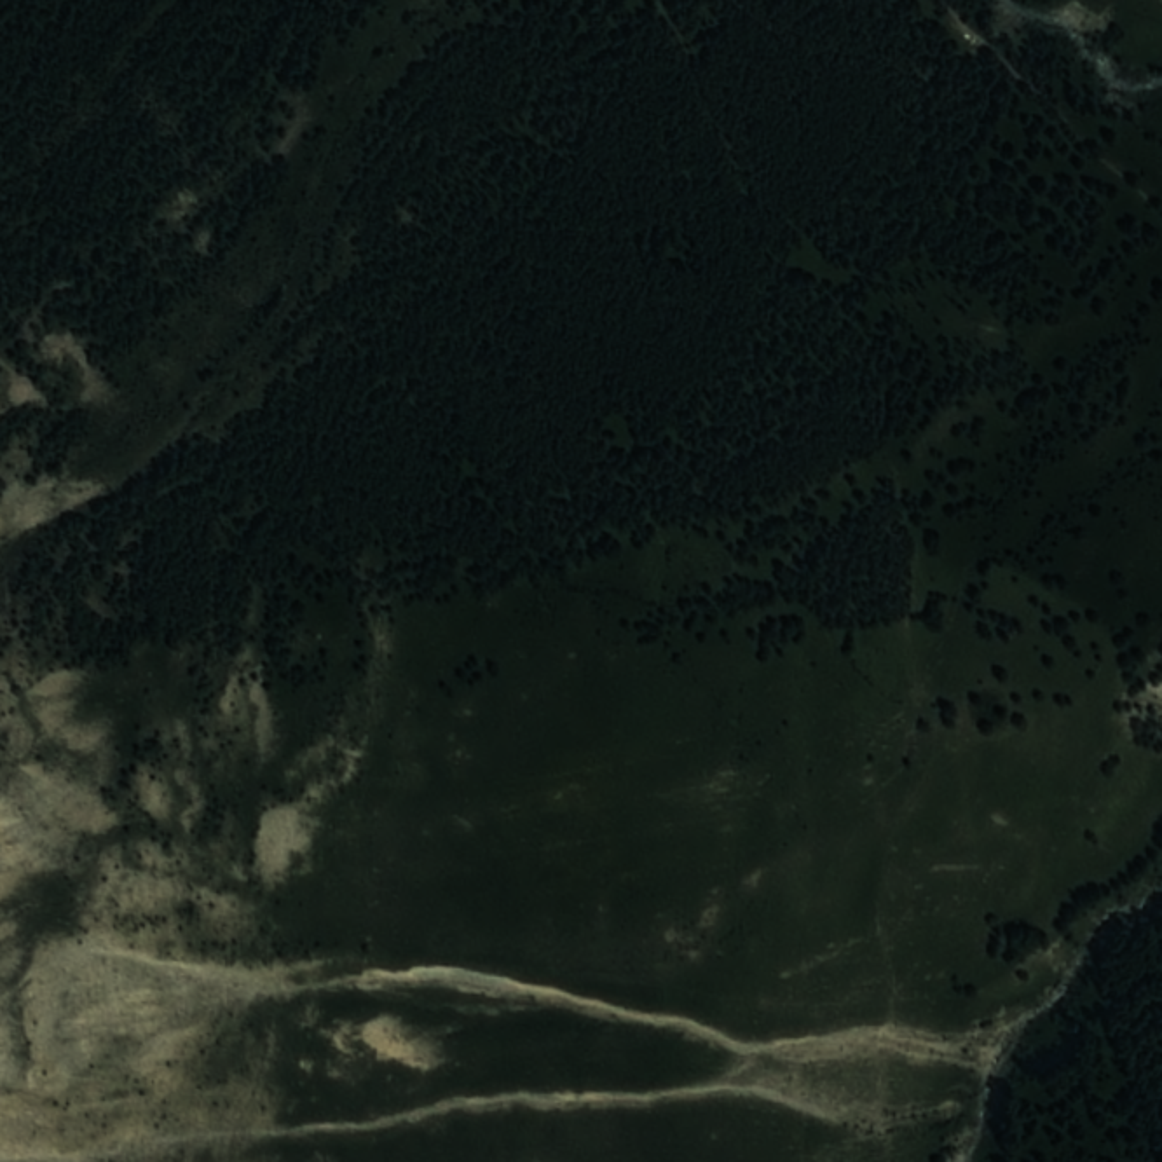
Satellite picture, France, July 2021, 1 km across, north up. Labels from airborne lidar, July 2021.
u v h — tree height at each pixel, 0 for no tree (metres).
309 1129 0
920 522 21
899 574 18
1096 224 24
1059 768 0
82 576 10
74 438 12
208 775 0
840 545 18
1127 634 15
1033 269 10
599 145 22
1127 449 0
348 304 17
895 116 17
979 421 16
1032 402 24
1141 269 0
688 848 0
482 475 16
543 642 0
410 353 18
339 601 0
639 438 21
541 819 0
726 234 22
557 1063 0
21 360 14
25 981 0
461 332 18
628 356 21
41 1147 0
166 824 0
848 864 0
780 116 23
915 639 0
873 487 0
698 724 0
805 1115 0
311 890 0
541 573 15
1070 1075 23
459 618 0
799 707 0
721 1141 0
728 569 0
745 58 22
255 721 0
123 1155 0
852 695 0
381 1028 0
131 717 0
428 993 0
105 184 19
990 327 0
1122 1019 23
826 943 0
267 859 0
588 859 0
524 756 0
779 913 0
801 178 20
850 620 19
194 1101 0
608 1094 0
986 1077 0
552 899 0
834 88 23
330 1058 0
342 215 11
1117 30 14
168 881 0
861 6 23
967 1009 0
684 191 24
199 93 14
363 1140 0
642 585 0
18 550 0
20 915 0
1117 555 0
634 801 0
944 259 13
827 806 0
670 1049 0
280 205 8
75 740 0
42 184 12
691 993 0
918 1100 0
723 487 20
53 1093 0
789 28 21
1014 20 0
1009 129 0
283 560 20
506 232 14
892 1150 0
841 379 17
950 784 0
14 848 0
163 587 17
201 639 13
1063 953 0
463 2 8
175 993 0
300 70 18
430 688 0
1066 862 0
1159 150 0
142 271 16
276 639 13
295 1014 0
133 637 18
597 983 0
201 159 11
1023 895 0
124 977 0
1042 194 21
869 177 19
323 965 0
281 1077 0
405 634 0
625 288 19
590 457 18
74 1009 0
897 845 0
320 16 20
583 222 22
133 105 10
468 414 18
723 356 19
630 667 0
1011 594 0
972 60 14
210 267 11
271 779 0
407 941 0
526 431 18
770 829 0
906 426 16
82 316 17
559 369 21
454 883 0
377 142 9
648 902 0
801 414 20
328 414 16
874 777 0
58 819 0
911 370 19
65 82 14
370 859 0
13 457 0
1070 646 14
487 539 21
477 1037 0
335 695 6
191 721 0
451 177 14
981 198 17
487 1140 0
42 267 17
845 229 13
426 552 13
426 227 20
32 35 18
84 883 0
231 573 19
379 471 16
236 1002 0
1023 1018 0
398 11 0
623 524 22
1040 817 0
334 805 0
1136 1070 19
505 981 0
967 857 0
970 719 0
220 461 17
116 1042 0
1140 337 8
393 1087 0
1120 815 0
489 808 0
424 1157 0
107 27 11
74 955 0
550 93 17
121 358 14
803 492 19
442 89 13
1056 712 0
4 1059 0
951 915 0
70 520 18
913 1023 0
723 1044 0
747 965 0
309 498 14
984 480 0
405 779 0
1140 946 25
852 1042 0
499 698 0
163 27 10
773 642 16
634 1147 0
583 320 20
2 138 15
